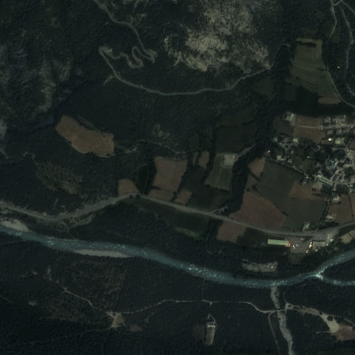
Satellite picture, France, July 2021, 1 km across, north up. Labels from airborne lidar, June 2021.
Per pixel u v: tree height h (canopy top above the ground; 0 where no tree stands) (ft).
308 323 23
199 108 31
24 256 23
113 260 30
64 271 26
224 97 30
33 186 31
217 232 26
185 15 30
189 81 23
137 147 24
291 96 0
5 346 71
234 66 34
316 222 0
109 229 24
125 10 21
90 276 21
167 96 21
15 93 29
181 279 28
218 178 0
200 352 26
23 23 28
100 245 0
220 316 24
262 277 30
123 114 41
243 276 27
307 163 0
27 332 60
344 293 28
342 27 23
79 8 25
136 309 28
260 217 0
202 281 23
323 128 0
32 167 29
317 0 32
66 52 20
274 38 35
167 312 25
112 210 39
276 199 0
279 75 51
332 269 33
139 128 33
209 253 29
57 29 23
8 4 25
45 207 30
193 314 31
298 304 28
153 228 27
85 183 31
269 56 28
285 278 24
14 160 21
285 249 0
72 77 32
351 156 0
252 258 42
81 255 24
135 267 25
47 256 18
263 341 29
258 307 20
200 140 32
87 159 26
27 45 30
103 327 25
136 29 31
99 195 24
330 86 0
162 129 20
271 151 32
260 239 0
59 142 24
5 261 29
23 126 22
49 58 21
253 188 36
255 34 18
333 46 24
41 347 61
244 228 0
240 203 39
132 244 21
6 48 22
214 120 33
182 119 29
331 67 43
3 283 24
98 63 30
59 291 21
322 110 0
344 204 0
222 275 0
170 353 38
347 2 40
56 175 32
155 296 33
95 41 32
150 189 30
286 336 0
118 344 26
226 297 41
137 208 23
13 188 36
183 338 50
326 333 21
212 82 22
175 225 0
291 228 0
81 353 84
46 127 27
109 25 21
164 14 24
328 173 24
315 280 32
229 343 42
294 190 0
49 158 27
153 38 30
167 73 22
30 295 25
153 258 0
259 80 37
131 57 21
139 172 0
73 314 30
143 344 21
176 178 0
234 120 0
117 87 24
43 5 23
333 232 0
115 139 28
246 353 36
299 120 0
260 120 43
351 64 23
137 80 28
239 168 49
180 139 33
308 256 23
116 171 42
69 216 0
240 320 27
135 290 29
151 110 22
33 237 0
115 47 32
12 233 0
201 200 0
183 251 28
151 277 24
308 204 0
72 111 28
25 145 28
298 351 23
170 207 0
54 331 46
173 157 30
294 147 34
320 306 35
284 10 31
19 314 75
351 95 31
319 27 31
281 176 0
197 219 0
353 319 46
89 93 30
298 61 0
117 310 28
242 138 0
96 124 32
